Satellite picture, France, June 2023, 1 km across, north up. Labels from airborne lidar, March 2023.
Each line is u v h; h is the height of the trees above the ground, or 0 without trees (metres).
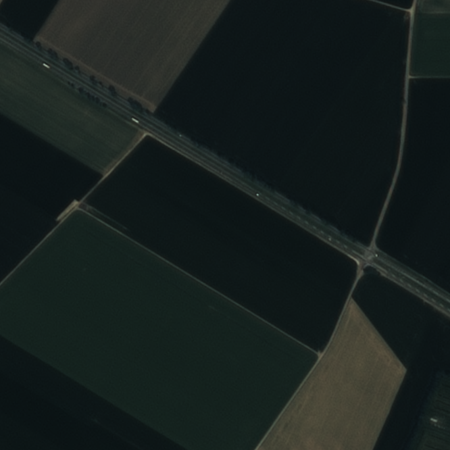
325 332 0
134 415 0
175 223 0
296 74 0
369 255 0
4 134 0
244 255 0
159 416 0
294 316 0
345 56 0
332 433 0
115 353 0
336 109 0
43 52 0
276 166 0
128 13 0
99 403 0
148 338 0
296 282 0
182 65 0
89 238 0
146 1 0
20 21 0
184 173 0
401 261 0
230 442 0
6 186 0
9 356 0
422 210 0
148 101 0
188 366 0
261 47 0
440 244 0
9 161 0
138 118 0
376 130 0
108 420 0
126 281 0
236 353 0
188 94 0
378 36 0
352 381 0
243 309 0
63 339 0
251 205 0
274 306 0
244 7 0
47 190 0
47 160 0
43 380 0
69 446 0
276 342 0
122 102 0
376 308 0
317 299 0
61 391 0
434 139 0
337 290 0
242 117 0
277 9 0
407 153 0
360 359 0
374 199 0
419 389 0
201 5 0
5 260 0
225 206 0
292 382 0
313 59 0
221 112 0
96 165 0
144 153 0
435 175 0
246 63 0
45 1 0
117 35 0
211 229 0
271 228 0
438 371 16
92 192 0
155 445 0
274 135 0
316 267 0
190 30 0
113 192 0
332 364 0
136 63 0
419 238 0
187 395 0
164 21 0
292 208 0
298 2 0
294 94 0
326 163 0
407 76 0
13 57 0
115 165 0
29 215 0
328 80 0
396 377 0
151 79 0
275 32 0
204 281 0
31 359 0
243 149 0
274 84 0
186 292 0
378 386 0
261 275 0
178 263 0
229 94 0
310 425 0
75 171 0
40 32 0
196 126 0
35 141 0
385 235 0
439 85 0
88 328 0
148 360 0
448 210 0
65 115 0
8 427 0
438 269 0
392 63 0
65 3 0
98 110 0
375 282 0
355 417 0
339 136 0
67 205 0
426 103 0
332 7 0
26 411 0
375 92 0
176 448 0
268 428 0
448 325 0
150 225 0
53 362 0
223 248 0
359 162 0
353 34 0
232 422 0
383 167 0
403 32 0
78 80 0
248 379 0
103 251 0
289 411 0
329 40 0
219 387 0
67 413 0
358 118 0
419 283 0
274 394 0
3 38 0
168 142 0
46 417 0
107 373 0
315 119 0
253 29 0
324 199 0
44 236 0
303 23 0
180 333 0
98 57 0
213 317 0
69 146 0
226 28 0
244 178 0
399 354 0
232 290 0
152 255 0
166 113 0
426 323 0
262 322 0
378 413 0
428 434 0
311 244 0
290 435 0
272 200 0
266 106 0
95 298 0
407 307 0
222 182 0
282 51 0
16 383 0
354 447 0
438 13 0
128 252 0
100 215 0
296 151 0
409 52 0
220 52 0
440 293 0
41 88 0
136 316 0
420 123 0
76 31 0
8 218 0
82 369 0
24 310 0
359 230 0
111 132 0
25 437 0
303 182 0
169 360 0
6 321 0
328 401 0
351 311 0
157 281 0
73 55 0
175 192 0
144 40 0
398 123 0
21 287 0
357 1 0
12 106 0
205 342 0
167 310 0
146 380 0
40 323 0
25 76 0
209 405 0
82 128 0
